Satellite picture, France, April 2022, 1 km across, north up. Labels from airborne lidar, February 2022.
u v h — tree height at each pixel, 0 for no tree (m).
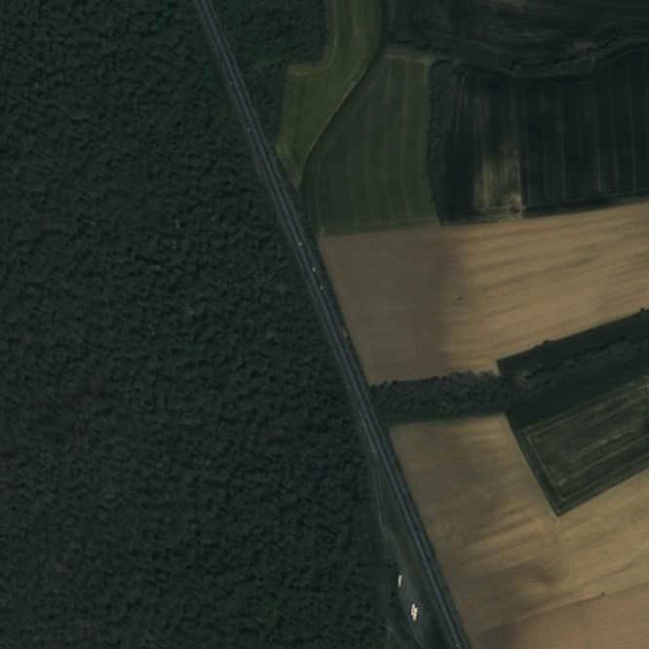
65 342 6
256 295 22
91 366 24
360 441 13
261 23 26
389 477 0
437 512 0
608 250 0
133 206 24
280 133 17
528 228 0
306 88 0
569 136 0
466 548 0
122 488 22
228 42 15
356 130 0
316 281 0
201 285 23
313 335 21
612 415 0
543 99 0
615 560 0
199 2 0
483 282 0
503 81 0
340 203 0
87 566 25
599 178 0
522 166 0
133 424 22
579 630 0
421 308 0
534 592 0
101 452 22
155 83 18
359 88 0
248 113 0
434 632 0
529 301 0
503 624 0
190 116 21
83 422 23
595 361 18
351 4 0
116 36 14
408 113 0
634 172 0
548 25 0
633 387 0
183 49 20
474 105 0
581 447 0
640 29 0
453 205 0
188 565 23
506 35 0
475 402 22
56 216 23
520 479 0
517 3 0
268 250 22
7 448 24
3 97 20
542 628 0
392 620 0
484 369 0
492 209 0
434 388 17
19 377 22
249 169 17
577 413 0
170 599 27
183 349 23
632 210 0
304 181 0
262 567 24
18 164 24
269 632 21
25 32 26
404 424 12
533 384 13
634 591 0
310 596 21
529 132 0
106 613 22
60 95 24
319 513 20
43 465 24
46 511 20
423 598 0
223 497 25
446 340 0
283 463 15
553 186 0
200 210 23
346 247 0
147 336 19
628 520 0
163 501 25
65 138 22
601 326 0
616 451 0
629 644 0
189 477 24
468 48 0
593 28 0
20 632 23
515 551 0
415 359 0
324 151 0
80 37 22
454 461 0
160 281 20
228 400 25
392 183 0
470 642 0
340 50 0
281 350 25
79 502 18
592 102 0
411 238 0
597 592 0
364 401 0
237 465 16
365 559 20
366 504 21
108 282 22
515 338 0
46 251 26
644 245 0
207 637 21
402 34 0
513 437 0
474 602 0
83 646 23
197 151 20
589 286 0
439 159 8
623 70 0
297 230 0
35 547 23
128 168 23
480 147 0
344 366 0
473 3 0
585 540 0
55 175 21
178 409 16
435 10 0
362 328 0
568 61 9
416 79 0
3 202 23
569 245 0
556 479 0
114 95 21
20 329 21
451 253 0
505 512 0
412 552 0
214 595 24
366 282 0
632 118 0
